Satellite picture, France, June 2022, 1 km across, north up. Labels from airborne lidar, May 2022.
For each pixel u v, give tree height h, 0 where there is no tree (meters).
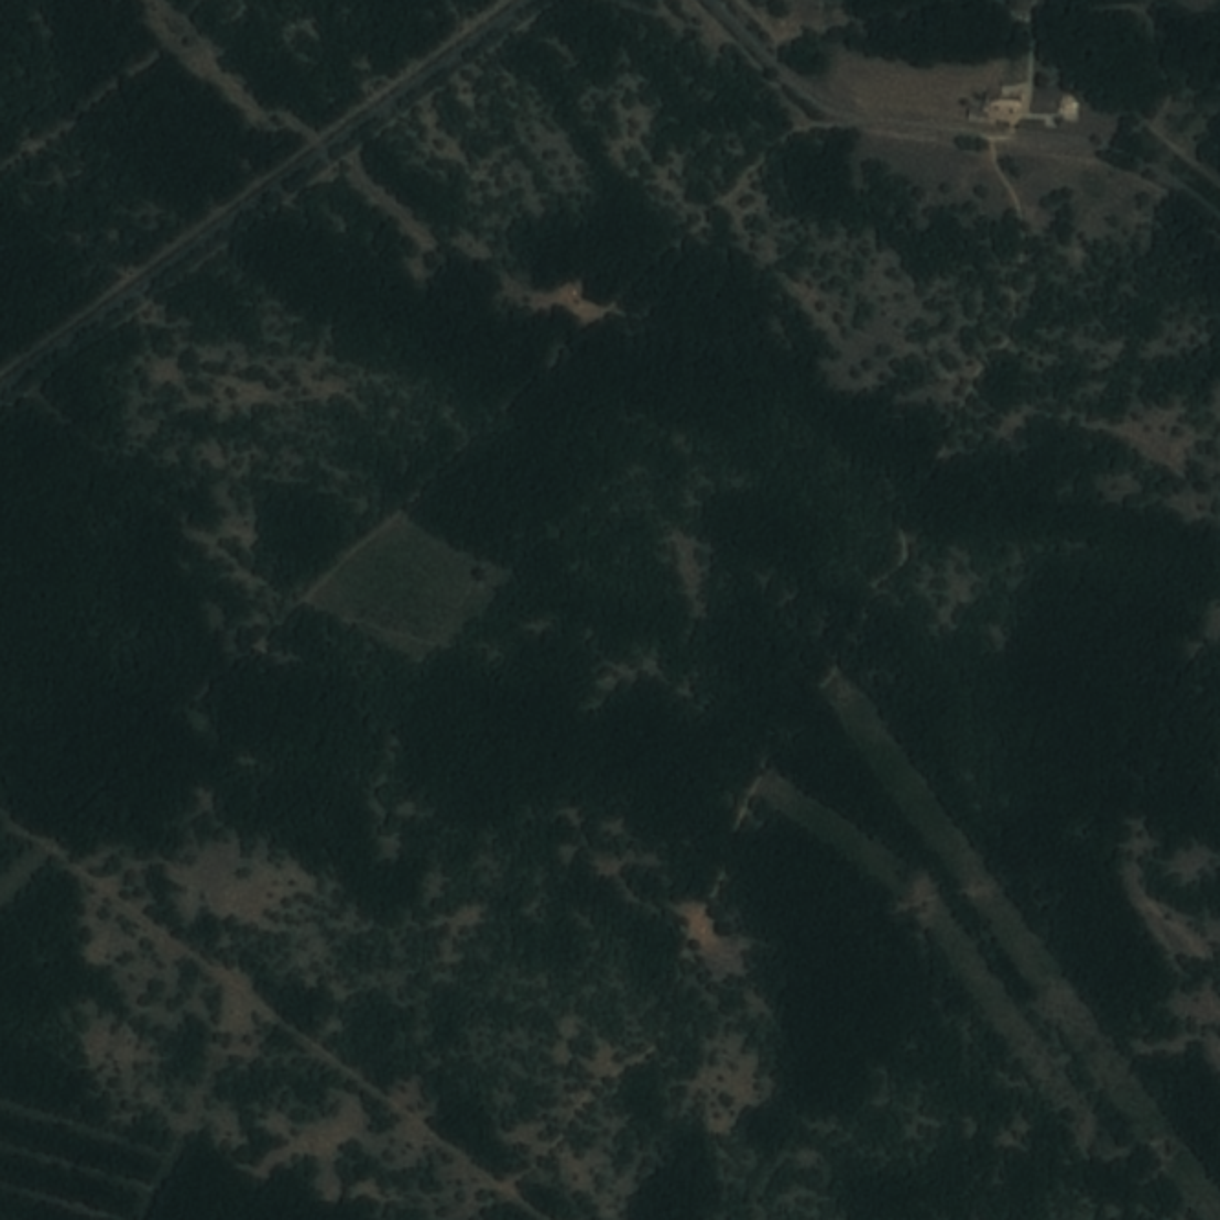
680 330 13
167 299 7
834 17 0
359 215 9
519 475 10
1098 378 9
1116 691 16
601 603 7
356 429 7
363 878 10
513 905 7
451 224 7
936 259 8
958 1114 6
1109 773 12
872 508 9
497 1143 9
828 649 7
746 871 10
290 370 7
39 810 13
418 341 8
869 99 0
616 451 8
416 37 9
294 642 11
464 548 11
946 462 7
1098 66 16
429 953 7
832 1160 8
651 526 7
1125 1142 8
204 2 7
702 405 9
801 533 10
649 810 9
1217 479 6
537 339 14
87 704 12
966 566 8
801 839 14
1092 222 0
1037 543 9
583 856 8
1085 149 0
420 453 8
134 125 10
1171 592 13
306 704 12
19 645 10
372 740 8
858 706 0
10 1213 9
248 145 11
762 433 6
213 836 8
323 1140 0
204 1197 14
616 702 9
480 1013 7
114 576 9
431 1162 7
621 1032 6
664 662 8
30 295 12
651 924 9
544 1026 6
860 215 8
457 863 9
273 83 9
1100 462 10
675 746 11
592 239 12
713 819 10
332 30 8
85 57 12
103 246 8
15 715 7
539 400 13
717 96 7
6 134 10
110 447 7
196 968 6
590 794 6
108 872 7
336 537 9
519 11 8
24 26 10
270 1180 7
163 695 9
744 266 11
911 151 0
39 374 9
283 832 8
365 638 8
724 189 7
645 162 7
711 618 6
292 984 5
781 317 7
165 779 13
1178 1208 10
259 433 7
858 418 11
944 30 13
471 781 10
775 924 11
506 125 7
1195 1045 8
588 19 10
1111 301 8
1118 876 6
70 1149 14
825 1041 14
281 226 10
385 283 10
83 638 9
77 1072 8
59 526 10
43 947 11
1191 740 11
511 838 8
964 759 6
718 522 9
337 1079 8
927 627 7
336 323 11
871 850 0
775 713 13
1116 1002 13
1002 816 9
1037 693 12
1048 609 12
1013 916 0
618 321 8
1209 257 8
